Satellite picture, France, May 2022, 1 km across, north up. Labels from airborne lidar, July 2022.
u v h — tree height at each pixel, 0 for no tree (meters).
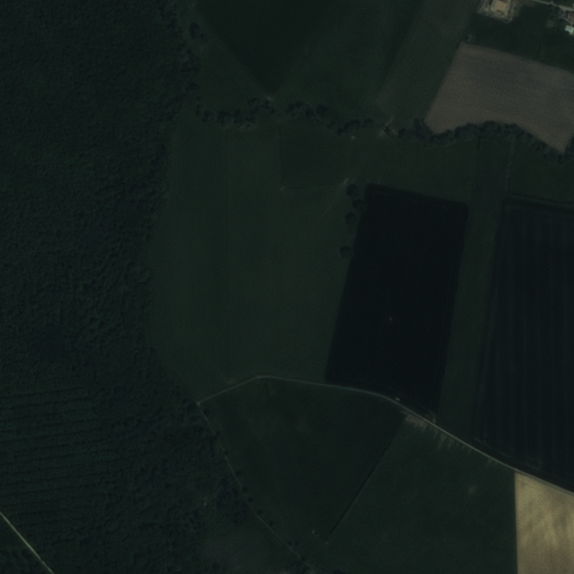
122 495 21
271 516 0
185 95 15
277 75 0
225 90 0
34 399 14
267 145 0
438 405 0
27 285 21
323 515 0
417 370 0
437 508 0
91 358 24
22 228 21
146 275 14
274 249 0
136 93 25
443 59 0
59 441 12
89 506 15
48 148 20
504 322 0
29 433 14
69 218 22
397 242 0
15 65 25
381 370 0
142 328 17
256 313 0
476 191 0
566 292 0
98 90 24
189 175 0
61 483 14
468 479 0
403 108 0
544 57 0
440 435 0
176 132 0
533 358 0
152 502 25
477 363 0
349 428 0
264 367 0
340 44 0
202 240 0
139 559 23
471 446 0
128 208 20
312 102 0
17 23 25
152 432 11
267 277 0
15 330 18
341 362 0
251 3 0
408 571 0
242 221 0
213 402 0
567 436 0
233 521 9
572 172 0
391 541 0
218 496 7
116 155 22
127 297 15
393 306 0
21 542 16
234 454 0
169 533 18
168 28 12
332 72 0
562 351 0
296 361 0
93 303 7
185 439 13
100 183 21
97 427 15
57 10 23
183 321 0
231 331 0
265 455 0
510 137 14
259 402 0
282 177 0
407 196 0
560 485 0
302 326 0
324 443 0
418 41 0
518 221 0
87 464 13
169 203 0
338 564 0
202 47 0
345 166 0
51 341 24
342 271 0
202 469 7
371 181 0
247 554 0
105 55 21
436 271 0
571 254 0
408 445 0
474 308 0
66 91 23
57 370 19
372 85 0
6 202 23
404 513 0
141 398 18
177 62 17
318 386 0
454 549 0
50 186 20
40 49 25
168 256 0
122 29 25
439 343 0
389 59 0
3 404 14
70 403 15
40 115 24
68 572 26
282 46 0
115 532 26
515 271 0
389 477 0
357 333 0
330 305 0
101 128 22
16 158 22
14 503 14
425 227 0
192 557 13
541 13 0
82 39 25
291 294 0
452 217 0
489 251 0
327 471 0
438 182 0
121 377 17
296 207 0
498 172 0
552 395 0
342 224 0
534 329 0
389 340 0
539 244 0
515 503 0
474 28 0
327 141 0
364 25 0
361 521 0
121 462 17
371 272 0
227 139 0
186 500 5
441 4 0
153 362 15
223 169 0
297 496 0
